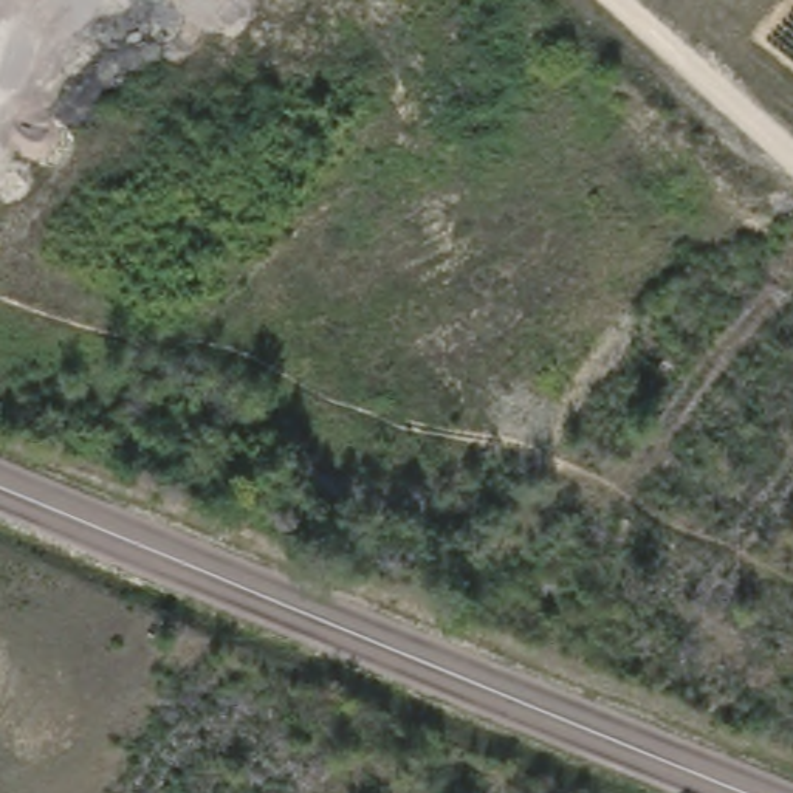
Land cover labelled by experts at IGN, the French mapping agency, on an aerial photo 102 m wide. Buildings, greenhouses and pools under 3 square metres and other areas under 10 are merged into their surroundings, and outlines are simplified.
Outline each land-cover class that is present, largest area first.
<instances>
[{"label":"herbaceous vegetation","instance_id":"1","mask_svg":"<svg viewBox=\"0 0 793 793\"><path fill-rule=\"evenodd\" d=\"M254 15L242 34L251 37L257 46L273 50V68L279 71V77H325L328 96L322 99V108L344 118L328 133L325 173L331 180L322 186L319 198L291 223V235L282 245V251L273 260L257 263L251 269H223V300L201 310L192 328L161 335L155 331V325L127 316L124 307L108 310L105 291L62 279L65 263H59V254L40 251V242H46V226L40 223V217L53 204H59L81 177V170L68 161H37L31 167L28 192L15 201L0 198V393L25 387L31 381L56 378L59 393L65 400H81L87 390H99V400L108 403L121 384L130 381L136 350H146L170 356L180 372L198 378L223 375L232 384H254L260 375H266L273 381L282 378L285 384H291L294 390L282 406H276L257 421H229L223 437L235 434L245 440L273 431L285 446L300 443L310 468L338 489L350 493L356 455H375L381 468H400L412 458L427 474L446 465L452 455H465L468 446L505 443L514 449H530L536 437H545L551 440L554 471L570 474L579 483V499L595 508H610L616 499H632L635 483L644 474L672 465V437L691 421L694 409L709 393L716 378L728 369L734 353L756 338L762 322L774 316L793 294V242L784 245L781 257L768 260L765 288L740 307L728 328L716 335L712 347L697 353L688 375L663 397L657 418H651V427H626L620 443H632L629 458H610L585 440L570 446V440L564 437V421L573 409L585 403L589 384L595 378L607 375L626 359L632 341V297L651 273L669 263L675 239L694 235L703 242H716L740 226L765 229L774 220V214L793 211V177L778 170L768 161L765 149L756 139H750L747 130H740L725 112H719L700 90H694L669 62H663L598 0H251ZM641 6H647L660 22L681 34V40L691 43L697 53H712L716 62L725 71H731V77L756 99V105L793 133V59L771 40V34L793 9V0H641ZM0 458L46 474L102 502L149 508L167 524H183L189 530L204 533V539L217 548H239L235 554L248 564H263L285 573L288 554L279 542L248 527L226 530L217 517L201 514L198 505L177 486H167L158 474H139L133 483H121L102 465L65 455L62 446H56L53 440H31L25 431H19L15 437L0 434ZM158 613L133 610L121 598L90 589L74 576H65L40 561L28 567L25 576H15L9 585L0 589V793H105V787L118 778V771L127 762L124 750L108 743V734L136 737L152 706L173 703V697H158L152 663L164 657V663L170 666H186L208 647V638L195 635L192 629H180L173 641L158 638L152 626ZM366 604L412 623L415 632L440 635L424 589L362 579L350 589ZM477 647H486L511 666H524L542 678L582 691L589 700L629 706L641 716H651L657 725L669 731L712 743L716 750L734 759H753L765 771L793 781V747L765 737L762 731L737 734L719 719H703L694 706H685L678 697L654 694L635 685L632 678H613L610 672L589 669L582 660H567L554 647L527 644L502 629L471 626L462 638Z\"/></svg>","mask_w":793,"mask_h":793},{"label":"coniferous trees","instance_id":"2","mask_svg":"<svg viewBox=\"0 0 793 793\"><path fill-rule=\"evenodd\" d=\"M294 390L291 384H285L282 378L273 381L266 375H260L254 384H232L223 375L198 378L180 372L170 356L146 350H136L130 381L121 384L108 403L99 400V390H87L81 400H65L59 393L56 378L31 381L25 387L0 393V434L15 437L19 431H25L31 440H53L56 446H62L65 455L102 465L121 483H133L139 474H158L167 486H177L198 505L201 514L217 517L226 530L248 527L279 542L288 554L285 573L291 576V582H316L319 592L350 589L362 579L424 589L440 635L462 638L471 626L502 629L527 644L554 647L567 660H582L589 669L610 672L613 678H632L635 685L654 694L678 697L685 706H694L703 719H719L737 734L762 731L765 737L793 747V294L774 316L762 322L756 338L734 353L728 369L716 378L709 393L694 409L691 421L672 437V465L644 474L635 483L632 499H616L610 508H595L579 499V483L570 474L554 471L551 440L545 437H536L530 449H514L505 443L468 446L465 455H452L446 465L427 474L412 458L400 468H381L375 455H356L350 493L338 489L310 468L300 443L285 446L273 431L245 440L235 434L223 437L229 421H257L276 406H282ZM40 561L65 576H74L90 589L121 598L133 610L158 613L152 626L158 638L173 641L180 629H192L195 635L208 638V647L214 654L232 651L235 635L242 629L223 613L198 610L189 601H180L158 589L130 585L115 573L90 567L53 545L0 527V589L9 585L15 576H25L28 567ZM279 678L310 688H325L331 681L344 688L350 700L341 706L344 716L335 719V728L322 743L335 756L359 747V734L353 731L350 716L362 703L400 719L403 737H397L393 750L412 756H418L427 747L424 731L431 728L440 734L452 716L431 706L427 700L409 697L406 691L356 669V663L307 654L294 669H279ZM449 762L455 765V771L443 793H582L595 771L589 765H570L545 750H533L520 737L477 728L468 737V750H449ZM263 768H269V774H288L297 784V793H390V787L378 774L366 778L362 784H347L344 778H331L325 765L304 768L297 762L279 765L266 759Z\"/></svg>","mask_w":793,"mask_h":793},{"label":"brushwood","instance_id":"3","mask_svg":"<svg viewBox=\"0 0 793 793\"><path fill-rule=\"evenodd\" d=\"M328 96L325 77H279V71L273 68V50L257 46L251 37L242 34H204L195 53L186 59H155L133 71H124L121 84L105 87L99 93L102 105L90 108L87 118L71 127L74 152L68 161L81 170V177L59 204H53L40 217V223L46 226V242H40V251L59 254V263H65L62 279L105 291L108 310L124 307L127 316L155 325V331L161 335L192 328L201 310L223 300V269H251L257 263L273 260L282 251V245L291 235V223L319 198L322 186L331 180L325 173L328 133L344 118L322 108V99Z\"/></svg>","mask_w":793,"mask_h":793},{"label":"deciduous trees","instance_id":"4","mask_svg":"<svg viewBox=\"0 0 793 793\"><path fill-rule=\"evenodd\" d=\"M793 242V211L774 214V220L765 229L740 226L716 242H703L694 235L675 239L669 263L651 273L632 297V341L626 359L607 375L595 378L589 384L585 403L573 409L564 421V437L570 440V446L585 440L610 458H629L632 443H620L626 427H651V418H657L663 397L688 375L697 353L712 347L716 335L728 328L740 307L765 288L768 260L781 257L784 245ZM307 654L291 641L260 638L257 629H242L235 635L232 651L214 654L208 647L186 666H170L164 663V657L152 663L158 697H173V703L152 706L136 737L108 734V743L124 750L127 762L118 771V778L105 787V793H297V784L288 774H269V768H263L266 759L279 765L297 762L304 768L325 765L331 778H344L347 784H362L366 778L378 774L390 787V793H443L455 771V765L449 762V750H468V737L477 728L468 719L452 716L440 734L431 728L424 731L427 747L418 756H412L393 750L397 737H403L400 719L362 703L350 716L353 731L359 734V747L335 756L322 743L335 728V719L344 716L341 706L350 700L344 688L331 681L325 688H310L279 678V669H294ZM582 793H654L651 787H641L613 771H595Z\"/></svg>","mask_w":793,"mask_h":793},{"label":"impervious surface","instance_id":"5","mask_svg":"<svg viewBox=\"0 0 793 793\"><path fill-rule=\"evenodd\" d=\"M0 527L53 545L90 567L115 573L130 585L158 589L180 601H189L198 610L223 613L242 629H257L260 638L291 641L307 654L356 663V669L406 691L409 697L427 700L431 706L452 716L468 719L477 728L520 737L533 750H545L570 765H589L595 771H613L641 787H651L654 793H793V781L765 771L753 759H734L716 750L712 743L669 731L657 725L651 716H641L629 706L589 700L582 691L542 678L524 666H511L486 647H477L462 638L440 635L415 632L412 623L366 604L350 589L319 592L316 582H291V576L285 573L263 564H248L235 554L239 548H217L204 539V533L189 530L183 524H167L149 508L102 502L46 474L0 458Z\"/></svg>","mask_w":793,"mask_h":793},{"label":"pervious surface","instance_id":"6","mask_svg":"<svg viewBox=\"0 0 793 793\"><path fill-rule=\"evenodd\" d=\"M254 15L251 0H0V198L15 201L28 192L31 167L37 161H68L74 152L71 127L87 118L90 108L102 105L99 93L105 87L121 84L124 71H133L155 59H186L195 53L204 34H242ZM663 62H669L694 90H700L719 112H725L740 130H747L750 139H756L765 149L768 161L778 170L793 177V133L756 105V99L731 77V71H725L716 62L712 53H697L691 43L681 40V34L660 22L647 6H641V0H598Z\"/></svg>","mask_w":793,"mask_h":793},{"label":"vineyard","instance_id":"7","mask_svg":"<svg viewBox=\"0 0 793 793\"><path fill-rule=\"evenodd\" d=\"M771 40L793 59V9L771 34Z\"/></svg>","mask_w":793,"mask_h":793}]
</instances>
